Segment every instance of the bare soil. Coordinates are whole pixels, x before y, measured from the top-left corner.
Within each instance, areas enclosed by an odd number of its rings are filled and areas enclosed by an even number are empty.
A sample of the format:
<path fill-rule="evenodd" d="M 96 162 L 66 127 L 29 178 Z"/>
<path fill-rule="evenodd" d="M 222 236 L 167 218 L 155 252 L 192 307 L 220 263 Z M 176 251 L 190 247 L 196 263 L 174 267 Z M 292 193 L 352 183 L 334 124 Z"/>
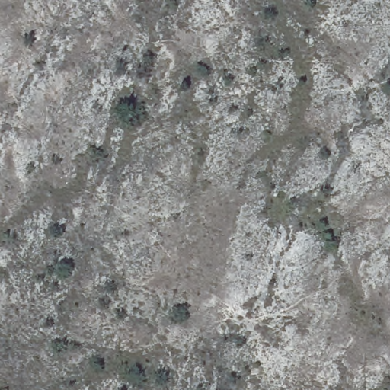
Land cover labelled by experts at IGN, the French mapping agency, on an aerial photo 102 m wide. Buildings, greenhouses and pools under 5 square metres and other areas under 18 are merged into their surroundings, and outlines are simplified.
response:
<path fill-rule="evenodd" d="M 264 131 L 270 136 L 273 131 L 282 133 L 288 128 L 291 116 L 291 90 L 297 87 L 299 79 L 292 72 L 294 59 L 286 56 L 283 59 L 271 58 L 268 62 L 273 64 L 273 69 L 257 70 L 256 75 L 250 76 L 247 67 L 254 66 L 257 61 L 248 58 L 247 53 L 248 50 L 256 49 L 254 41 L 248 34 L 251 23 L 238 20 L 236 15 L 241 5 L 239 0 L 0 0 L 0 390 L 390 390 L 390 0 L 332 0 L 329 3 L 328 14 L 309 18 L 309 23 L 305 26 L 299 21 L 292 21 L 291 18 L 286 20 L 286 24 L 294 29 L 296 47 L 302 53 L 302 58 L 312 66 L 314 87 L 311 90 L 311 105 L 305 113 L 306 123 L 324 133 L 337 133 L 343 123 L 361 125 L 363 122 L 360 104 L 353 105 L 355 91 L 360 87 L 364 91 L 366 88 L 372 88 L 369 101 L 379 123 L 366 126 L 361 129 L 360 134 L 350 137 L 352 154 L 343 161 L 332 186 L 331 200 L 324 203 L 326 218 L 341 241 L 340 247 L 329 254 L 321 248 L 324 242 L 320 241 L 318 236 L 302 232 L 299 225 L 270 227 L 268 218 L 257 218 L 265 206 L 265 201 L 261 200 L 261 197 L 265 193 L 265 187 L 273 190 L 273 197 L 277 197 L 279 192 L 285 192 L 286 197 L 299 197 L 309 190 L 312 197 L 317 197 L 320 184 L 324 183 L 331 174 L 332 163 L 340 154 L 337 139 L 329 142 L 329 148 L 326 146 L 318 149 L 317 146 L 312 146 L 306 149 L 302 157 L 297 158 L 297 163 L 289 160 L 296 148 L 282 148 L 282 155 L 277 158 L 273 169 L 267 168 L 268 158 L 256 160 L 254 163 L 247 161 L 251 154 L 264 145 Z M 154 69 L 149 78 L 137 78 L 137 64 L 143 61 L 145 50 L 152 50 L 155 53 Z M 149 114 L 148 120 L 136 129 L 136 134 L 126 134 L 119 128 L 116 117 L 110 113 L 111 107 L 119 102 L 119 97 L 128 96 L 136 96 L 137 102 L 145 105 Z M 61 279 L 58 274 L 43 274 L 44 268 L 52 264 L 55 250 L 61 251 L 61 261 L 67 257 L 75 261 L 75 268 L 67 279 Z M 55 338 L 79 341 L 81 347 L 76 349 L 72 344 L 67 344 L 67 352 L 53 352 L 52 341 Z M 137 388 L 129 381 L 120 381 L 117 367 L 126 364 L 131 367 L 136 364 L 140 375 L 145 372 L 145 367 L 155 367 L 160 373 L 165 373 L 166 384 L 146 382 L 145 387 Z"/>

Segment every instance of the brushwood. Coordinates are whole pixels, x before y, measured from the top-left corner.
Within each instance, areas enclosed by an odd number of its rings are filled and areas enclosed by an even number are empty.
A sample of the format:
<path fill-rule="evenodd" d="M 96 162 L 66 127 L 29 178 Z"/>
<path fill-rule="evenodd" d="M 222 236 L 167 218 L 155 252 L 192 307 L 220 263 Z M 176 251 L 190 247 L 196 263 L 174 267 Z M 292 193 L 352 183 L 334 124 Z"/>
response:
<path fill-rule="evenodd" d="M 160 373 L 155 367 L 145 367 L 145 372 L 140 375 L 136 364 L 131 367 L 126 364 L 117 367 L 120 381 L 129 381 L 137 388 L 145 387 L 146 382 L 166 384 L 165 373 Z"/>
<path fill-rule="evenodd" d="M 152 50 L 145 50 L 143 61 L 137 64 L 137 78 L 149 78 L 154 69 L 155 53 Z"/>
<path fill-rule="evenodd" d="M 53 352 L 67 352 L 67 344 L 72 344 L 76 349 L 81 347 L 79 341 L 55 338 L 52 341 Z"/>
<path fill-rule="evenodd" d="M 273 197 L 273 190 L 265 187 L 265 193 L 261 197 L 261 200 L 265 201 L 265 206 L 257 218 L 268 218 L 270 227 L 299 225 L 302 232 L 318 236 L 320 241 L 324 242 L 321 248 L 329 254 L 340 247 L 341 241 L 326 218 L 324 203 L 331 200 L 332 186 L 324 183 L 320 184 L 317 197 L 312 197 L 309 190 L 299 197 L 286 197 L 285 192 L 279 192 L 277 197 Z"/>
<path fill-rule="evenodd" d="M 61 251 L 55 250 L 52 264 L 44 268 L 43 274 L 58 274 L 61 279 L 67 279 L 75 268 L 75 261 L 67 257 L 61 261 Z"/>
<path fill-rule="evenodd" d="M 257 61 L 254 66 L 247 67 L 250 76 L 256 75 L 257 70 L 273 69 L 273 64 L 268 62 L 271 58 L 283 59 L 286 56 L 291 49 L 279 49 L 271 43 L 270 37 L 257 38 L 254 41 L 256 49 L 248 50 L 247 53 L 248 58 Z"/>
<path fill-rule="evenodd" d="M 111 107 L 110 113 L 116 117 L 119 128 L 126 134 L 136 134 L 136 129 L 148 120 L 149 114 L 145 105 L 137 102 L 136 96 L 128 96 L 119 97 L 119 102 Z"/>

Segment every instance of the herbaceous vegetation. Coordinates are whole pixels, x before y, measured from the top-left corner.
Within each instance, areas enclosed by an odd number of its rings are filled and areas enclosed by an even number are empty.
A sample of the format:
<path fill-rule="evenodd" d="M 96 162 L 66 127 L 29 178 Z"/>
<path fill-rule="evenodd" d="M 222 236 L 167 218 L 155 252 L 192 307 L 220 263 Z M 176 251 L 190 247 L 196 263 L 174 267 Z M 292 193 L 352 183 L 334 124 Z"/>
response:
<path fill-rule="evenodd" d="M 317 146 L 318 149 L 326 146 L 329 148 L 329 142 L 337 139 L 340 154 L 332 163 L 331 174 L 324 183 L 332 186 L 343 161 L 352 154 L 350 137 L 360 134 L 361 129 L 366 126 L 379 123 L 369 101 L 372 88 L 366 88 L 364 91 L 360 87 L 355 91 L 353 105 L 360 104 L 363 122 L 361 125 L 343 123 L 337 133 L 324 133 L 306 123 L 305 113 L 311 105 L 311 90 L 314 87 L 312 66 L 302 58 L 302 53 L 296 47 L 294 29 L 286 24 L 286 20 L 291 18 L 292 21 L 299 21 L 305 26 L 309 23 L 309 18 L 328 14 L 329 3 L 332 0 L 239 0 L 241 5 L 236 15 L 238 20 L 251 23 L 248 34 L 254 41 L 257 38 L 270 37 L 271 43 L 279 49 L 291 49 L 286 56 L 294 59 L 292 72 L 299 79 L 297 87 L 291 90 L 291 116 L 288 128 L 282 133 L 273 131 L 270 136 L 264 131 L 264 145 L 251 154 L 247 161 L 254 163 L 256 160 L 268 158 L 267 168 L 273 169 L 277 158 L 282 155 L 282 148 L 296 148 L 289 160 L 297 163 L 297 158 L 302 157 L 306 149 L 312 146 Z"/>

